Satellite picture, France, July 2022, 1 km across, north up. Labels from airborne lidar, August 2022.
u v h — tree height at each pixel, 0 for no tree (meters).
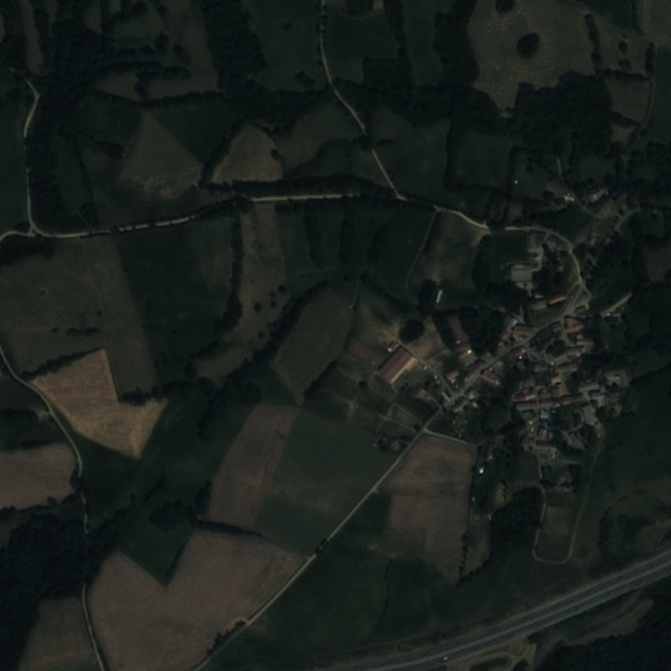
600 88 16
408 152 0
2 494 0
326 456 0
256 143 0
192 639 0
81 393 0
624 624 0
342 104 12
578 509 0
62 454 0
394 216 0
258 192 19
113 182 0
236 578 0
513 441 12
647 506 0
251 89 14
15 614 27
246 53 17
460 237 0
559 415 11
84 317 0
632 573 0
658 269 0
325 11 9
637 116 0
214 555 0
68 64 14
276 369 0
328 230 0
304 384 0
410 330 18
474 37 0
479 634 0
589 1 0
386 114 0
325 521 0
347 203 19
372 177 0
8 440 0
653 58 12
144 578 0
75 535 24
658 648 20
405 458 0
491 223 16
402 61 13
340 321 0
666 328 0
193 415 0
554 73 0
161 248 0
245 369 21
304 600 0
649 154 15
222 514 0
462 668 0
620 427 0
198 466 0
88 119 0
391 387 0
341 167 0
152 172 0
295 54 0
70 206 0
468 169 0
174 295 0
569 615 0
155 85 0
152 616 0
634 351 12
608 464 0
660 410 0
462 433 0
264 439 0
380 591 0
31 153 14
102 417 0
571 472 12
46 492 0
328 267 0
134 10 16
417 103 14
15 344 0
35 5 15
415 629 0
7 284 0
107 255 0
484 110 7
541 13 0
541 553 0
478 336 13
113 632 0
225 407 15
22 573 23
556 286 8
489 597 0
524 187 0
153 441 0
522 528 16
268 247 0
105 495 0
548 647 0
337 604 0
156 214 0
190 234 0
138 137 0
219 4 16
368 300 0
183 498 0
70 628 0
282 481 0
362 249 0
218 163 11
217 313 0
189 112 0
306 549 0
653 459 0
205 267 0
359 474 0
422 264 0
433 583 0
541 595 0
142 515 0
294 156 0
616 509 0
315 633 0
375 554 0
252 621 0
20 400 0
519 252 0
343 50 0
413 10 0
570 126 16
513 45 0
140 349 0
